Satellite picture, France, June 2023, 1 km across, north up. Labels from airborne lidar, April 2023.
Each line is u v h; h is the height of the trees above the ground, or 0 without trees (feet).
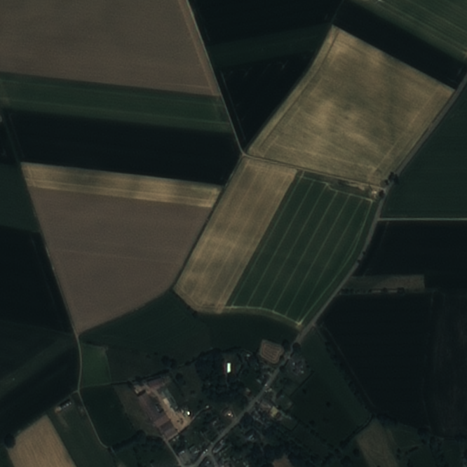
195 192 0
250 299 0
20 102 0
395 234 0
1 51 0
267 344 0
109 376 0
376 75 0
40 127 0
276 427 38
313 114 0
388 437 0
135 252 0
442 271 0
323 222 0
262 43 0
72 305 0
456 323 0
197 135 0
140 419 0
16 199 0
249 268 0
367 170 0
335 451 31
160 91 0
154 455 0
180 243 0
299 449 35
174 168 0
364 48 0
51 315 0
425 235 0
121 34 0
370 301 0
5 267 0
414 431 0
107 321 0
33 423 0
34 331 0
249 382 0
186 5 0
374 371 0
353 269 0
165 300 0
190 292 0
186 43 0
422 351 0
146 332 0
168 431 0
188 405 0
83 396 0
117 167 0
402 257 0
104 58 0
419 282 0
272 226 0
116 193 0
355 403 0
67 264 0
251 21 0
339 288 0
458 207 0
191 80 0
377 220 0
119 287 0
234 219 0
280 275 0
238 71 0
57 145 0
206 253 0
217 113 0
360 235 0
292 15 0
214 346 0
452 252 0
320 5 0
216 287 0
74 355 0
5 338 0
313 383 0
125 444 37
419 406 0
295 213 0
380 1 0
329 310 0
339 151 0
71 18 0
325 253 0
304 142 0
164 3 0
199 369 74
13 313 0
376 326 0
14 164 0
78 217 0
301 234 0
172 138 0
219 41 0
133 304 0
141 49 0
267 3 0
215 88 0
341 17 0
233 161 0
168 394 0
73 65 0
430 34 0
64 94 0
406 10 0
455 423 0
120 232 0
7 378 0
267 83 0
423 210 0
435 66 0
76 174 0
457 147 0
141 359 0
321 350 0
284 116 0
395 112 0
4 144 0
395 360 0
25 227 0
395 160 0
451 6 0
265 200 0
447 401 0
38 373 0
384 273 0
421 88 0
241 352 19
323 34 0
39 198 0
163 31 0
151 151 0
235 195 0
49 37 0
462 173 0
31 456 0
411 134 0
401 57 0
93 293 0
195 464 0
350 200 0
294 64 0
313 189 0
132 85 0
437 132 0
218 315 0
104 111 0
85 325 0
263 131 0
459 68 0
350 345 0
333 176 0
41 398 0
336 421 0
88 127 0
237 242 0
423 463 0
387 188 0
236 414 0
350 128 0
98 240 0
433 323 0
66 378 0
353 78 0
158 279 0
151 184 0
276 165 0
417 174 0
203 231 0
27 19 0
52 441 0
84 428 0
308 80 0
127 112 0
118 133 0
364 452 0
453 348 0
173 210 0
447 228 0
